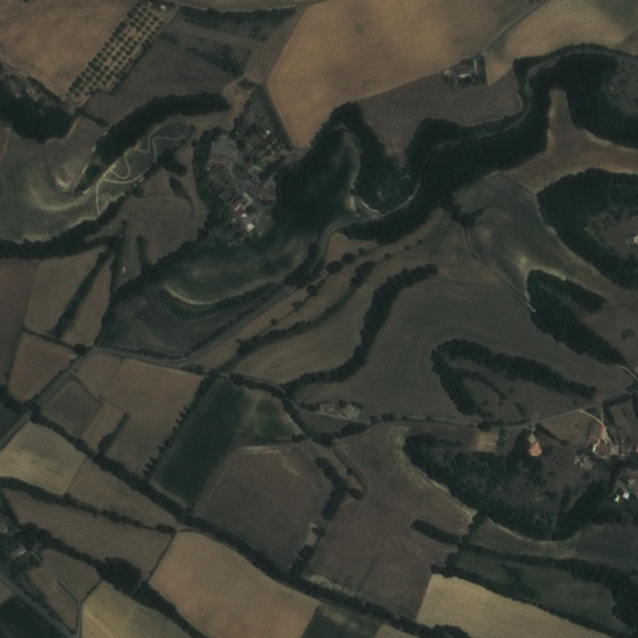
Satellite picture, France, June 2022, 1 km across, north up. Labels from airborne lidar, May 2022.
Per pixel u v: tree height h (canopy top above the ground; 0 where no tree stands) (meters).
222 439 0
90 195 0
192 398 0
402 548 0
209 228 15
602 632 14
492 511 11
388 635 0
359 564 0
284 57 0
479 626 0
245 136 7
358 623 0
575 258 0
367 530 0
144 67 0
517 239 0
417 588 0
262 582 0
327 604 0
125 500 0
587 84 14
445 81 7
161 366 0
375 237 15
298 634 0
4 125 0
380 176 9
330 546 0
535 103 16
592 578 17
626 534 0
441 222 0
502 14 0
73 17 0
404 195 9
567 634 0
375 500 0
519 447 11
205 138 9
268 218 0
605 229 7
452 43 0
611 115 8
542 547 0
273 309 0
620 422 0
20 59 0
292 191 22
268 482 0
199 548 0
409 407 0
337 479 17
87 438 0
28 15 0
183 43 0
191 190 0
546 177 0
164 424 0
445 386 17
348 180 0
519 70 13
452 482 12
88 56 0
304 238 0
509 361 15
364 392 0
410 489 0
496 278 0
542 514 8
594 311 10
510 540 0
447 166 16
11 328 0
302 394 0
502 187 0
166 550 0
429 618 0
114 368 0
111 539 0
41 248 18
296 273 12
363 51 0
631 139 19
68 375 0
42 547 7
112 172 0
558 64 11
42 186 0
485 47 0
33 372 0
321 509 0
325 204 0
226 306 10
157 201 0
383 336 0
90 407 0
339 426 0
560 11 0
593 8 0
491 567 0
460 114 0
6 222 0
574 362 0
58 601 0
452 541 9
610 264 16
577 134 0
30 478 0
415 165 16
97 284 0
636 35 0
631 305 0
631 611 21
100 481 0
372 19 0
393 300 13
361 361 17
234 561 0
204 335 0
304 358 0
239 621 0
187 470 0
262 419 0
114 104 0
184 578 0
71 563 0
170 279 0
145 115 19
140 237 7
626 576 12
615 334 0
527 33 0
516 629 0
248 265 0
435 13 0
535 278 14
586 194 12
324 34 0
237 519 0
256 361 0
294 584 16
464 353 13
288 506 0
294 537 0
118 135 16
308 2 0
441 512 0
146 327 0
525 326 0
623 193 7
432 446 13
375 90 0
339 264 14
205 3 0
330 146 20
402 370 0
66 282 0
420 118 0
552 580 0
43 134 11
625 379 0
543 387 9
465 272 0
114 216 16
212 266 0
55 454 0
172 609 12
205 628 0
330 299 0
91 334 0
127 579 20
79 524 0
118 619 0
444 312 0
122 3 0
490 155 19
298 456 0
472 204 0
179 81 0
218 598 0
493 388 6
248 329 0
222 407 0
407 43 0
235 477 0
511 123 8
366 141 10
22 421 0
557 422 0
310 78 0
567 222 13
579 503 10
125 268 0
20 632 0
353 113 9
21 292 0
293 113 0
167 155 15
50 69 0
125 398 0
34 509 0
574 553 0
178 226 0
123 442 0
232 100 0
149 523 0
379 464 0
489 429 19
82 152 0
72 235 18
